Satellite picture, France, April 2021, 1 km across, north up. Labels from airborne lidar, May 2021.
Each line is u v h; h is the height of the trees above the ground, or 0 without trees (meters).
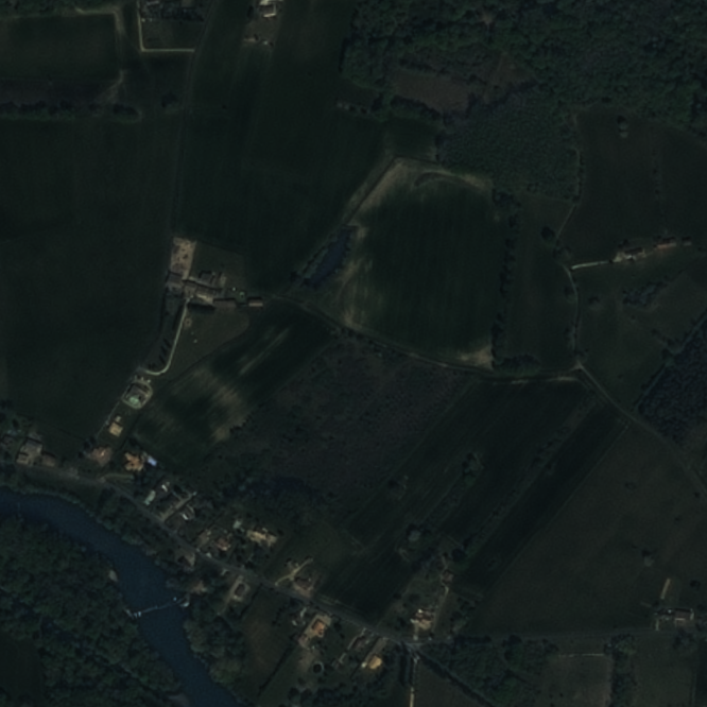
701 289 0
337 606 0
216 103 0
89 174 0
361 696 12
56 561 17
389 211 0
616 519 0
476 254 0
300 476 0
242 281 0
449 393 7
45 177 0
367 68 23
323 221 0
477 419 0
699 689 0
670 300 0
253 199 0
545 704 0
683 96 27
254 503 29
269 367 0
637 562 0
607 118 0
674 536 0
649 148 0
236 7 0
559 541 0
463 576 0
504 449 0
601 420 0
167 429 0
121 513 10
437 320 0
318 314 0
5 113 15
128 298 0
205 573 6
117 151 0
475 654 18
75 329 0
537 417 0
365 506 0
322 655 7
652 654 0
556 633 0
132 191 0
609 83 21
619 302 0
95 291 0
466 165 22
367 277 0
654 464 0
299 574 0
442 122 17
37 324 0
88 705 24
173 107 15
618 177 0
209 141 0
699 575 0
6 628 19
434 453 0
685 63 16
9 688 0
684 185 0
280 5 0
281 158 0
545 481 0
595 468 0
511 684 20
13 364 0
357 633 0
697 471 0
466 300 0
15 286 0
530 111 17
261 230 0
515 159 17
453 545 0
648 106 6
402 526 0
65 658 20
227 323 0
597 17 20
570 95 17
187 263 0
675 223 0
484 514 0
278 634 0
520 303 0
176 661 0
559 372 0
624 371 0
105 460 0
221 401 0
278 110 0
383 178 0
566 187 10
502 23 22
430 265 0
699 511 0
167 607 0
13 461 11
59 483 0
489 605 0
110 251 0
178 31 0
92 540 0
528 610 0
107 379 0
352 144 0
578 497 0
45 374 0
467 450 0
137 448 17
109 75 0
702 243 0
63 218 0
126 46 0
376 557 0
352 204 0
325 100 0
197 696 0
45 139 0
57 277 0
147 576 0
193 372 0
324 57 0
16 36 0
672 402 19
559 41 26
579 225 0
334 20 0
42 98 0
